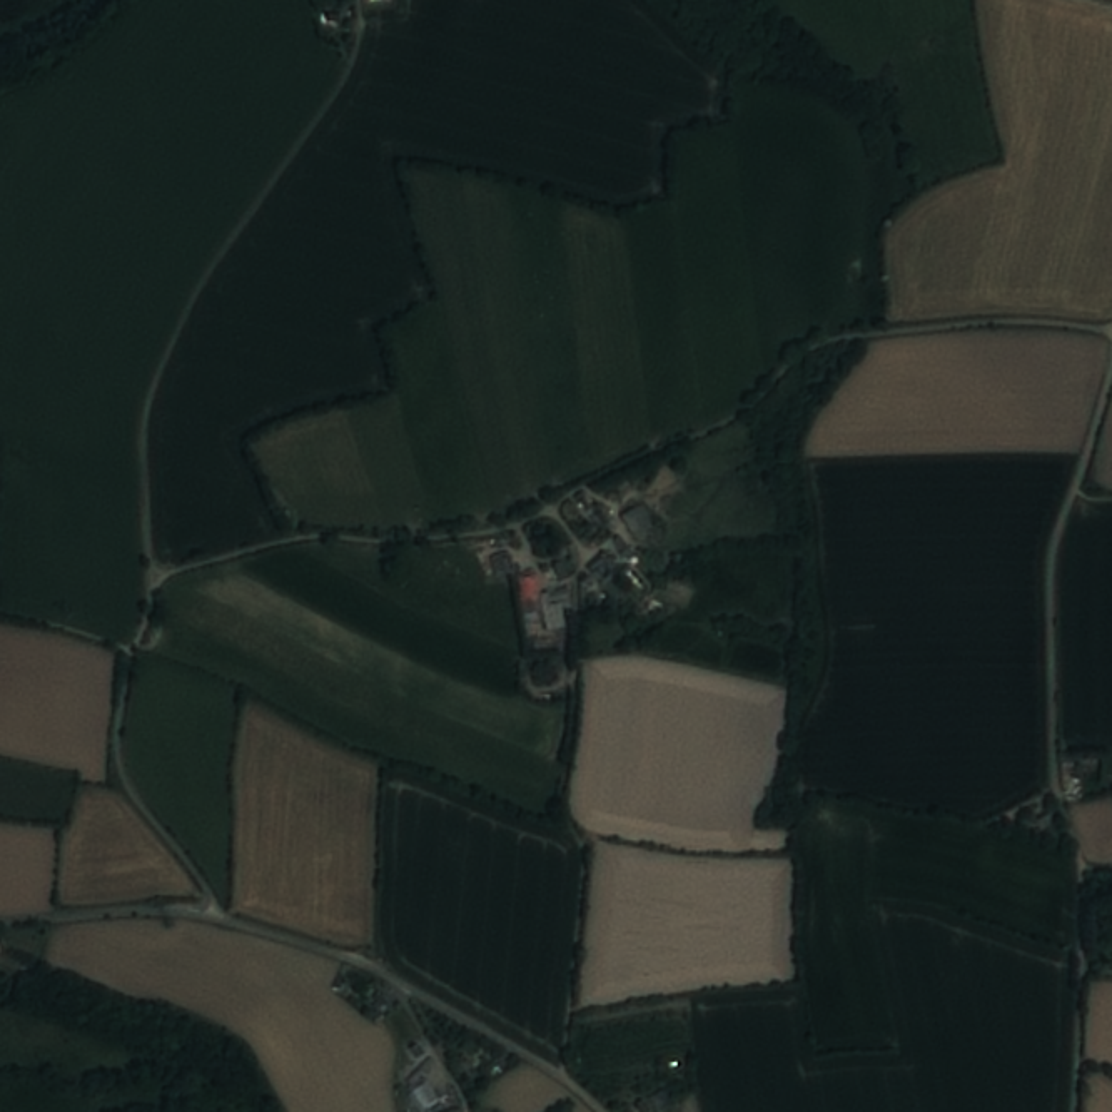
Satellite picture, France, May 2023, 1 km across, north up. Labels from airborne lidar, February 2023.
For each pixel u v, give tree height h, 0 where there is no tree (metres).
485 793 11
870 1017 0
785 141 0
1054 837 10
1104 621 0
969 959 0
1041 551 0
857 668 0
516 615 8
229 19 0
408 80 0
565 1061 11
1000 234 0
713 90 0
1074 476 0
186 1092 26
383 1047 0
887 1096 0
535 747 0
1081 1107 10
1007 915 0
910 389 0
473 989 0
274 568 0
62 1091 11
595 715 0
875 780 0
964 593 0
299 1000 0
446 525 12
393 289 0
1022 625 0
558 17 0
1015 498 0
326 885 0
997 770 0
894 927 0
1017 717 0
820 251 0
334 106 0
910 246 0
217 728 0
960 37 0
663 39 0
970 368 0
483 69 0
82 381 0
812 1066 0
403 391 0
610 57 0
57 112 0
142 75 0
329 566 0
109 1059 0
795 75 7
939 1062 0
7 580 0
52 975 11
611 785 0
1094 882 11
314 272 0
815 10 0
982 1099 0
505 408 0
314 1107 0
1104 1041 0
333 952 0
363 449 0
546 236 0
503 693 0
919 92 0
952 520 0
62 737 0
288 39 0
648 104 0
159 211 0
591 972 0
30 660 0
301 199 0
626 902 0
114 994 9
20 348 0
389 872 0
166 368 0
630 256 0
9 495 0
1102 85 0
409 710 0
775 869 0
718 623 10
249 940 0
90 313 0
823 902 0
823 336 12
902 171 15
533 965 0
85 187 0
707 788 0
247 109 0
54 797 0
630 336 0
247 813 0
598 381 0
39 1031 0
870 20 0
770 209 0
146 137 0
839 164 0
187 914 0
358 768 0
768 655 0
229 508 0
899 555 0
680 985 0
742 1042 0
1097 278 0
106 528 0
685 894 0
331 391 0
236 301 0
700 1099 0
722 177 0
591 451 0
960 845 0
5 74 16
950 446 0
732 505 0
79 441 0
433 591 0
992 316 0
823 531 0
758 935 0
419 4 0
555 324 0
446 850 0
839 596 0
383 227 0
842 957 0
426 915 0
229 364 0
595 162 0
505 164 0
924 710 0
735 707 0
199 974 0
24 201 0
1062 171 0
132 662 10
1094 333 0
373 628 0
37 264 0
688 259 0
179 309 0
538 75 0
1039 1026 0
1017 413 0
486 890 0
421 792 0
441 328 0
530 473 0
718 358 0
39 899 0
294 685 0
